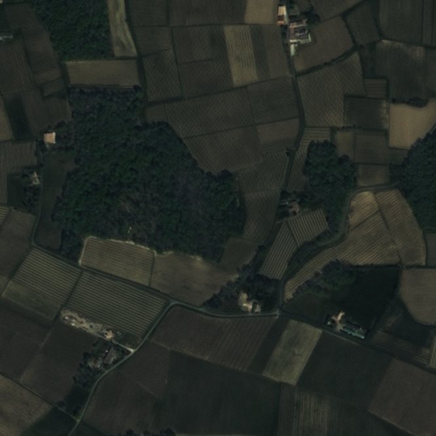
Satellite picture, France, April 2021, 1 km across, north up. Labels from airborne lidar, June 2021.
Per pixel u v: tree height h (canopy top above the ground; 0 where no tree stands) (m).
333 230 20
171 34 0
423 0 0
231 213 19
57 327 0
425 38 0
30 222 0
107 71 0
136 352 0
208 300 0
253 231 0
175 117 0
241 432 0
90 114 15
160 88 0
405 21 0
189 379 0
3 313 0
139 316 0
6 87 0
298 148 0
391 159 0
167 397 0
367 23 0
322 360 0
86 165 20
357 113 0
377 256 0
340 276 22
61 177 0
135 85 0
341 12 0
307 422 0
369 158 0
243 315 0
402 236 0
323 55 0
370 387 0
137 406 0
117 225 12
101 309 0
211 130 0
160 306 0
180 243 21
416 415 0
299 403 0
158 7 0
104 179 31
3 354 0
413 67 0
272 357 0
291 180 0
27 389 0
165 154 24
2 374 0
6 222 0
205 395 0
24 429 0
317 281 16
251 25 0
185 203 17
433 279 0
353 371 0
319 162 24
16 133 0
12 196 0
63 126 13
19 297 0
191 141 0
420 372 0
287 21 0
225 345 0
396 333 0
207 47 0
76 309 0
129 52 0
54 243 0
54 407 0
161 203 22
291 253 0
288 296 0
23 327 0
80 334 0
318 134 0
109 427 0
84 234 18
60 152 13
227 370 0
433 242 0
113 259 0
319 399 0
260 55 0
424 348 0
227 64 0
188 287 0
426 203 25
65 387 0
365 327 0
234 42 0
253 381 0
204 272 0
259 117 0
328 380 0
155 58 0
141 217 21
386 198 0
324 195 23
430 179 23
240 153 0
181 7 0
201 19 0
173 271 0
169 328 0
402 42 0
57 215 21
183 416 0
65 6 21
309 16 9
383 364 0
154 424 0
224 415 0
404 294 0
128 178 21
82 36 20
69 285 0
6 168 0
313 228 0
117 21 0
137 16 0
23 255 0
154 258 0
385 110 0
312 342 0
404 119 0
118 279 0
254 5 0
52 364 0
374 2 0
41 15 8
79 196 29
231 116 0
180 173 18
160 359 0
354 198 0
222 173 0
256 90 0
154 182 21
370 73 0
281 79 0
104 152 20
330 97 0
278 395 0
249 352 0
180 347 0
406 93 0
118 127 23
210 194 22
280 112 0
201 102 0
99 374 10
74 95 20
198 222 20
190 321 0
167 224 23
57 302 0
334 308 0
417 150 19
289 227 0
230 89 0
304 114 0
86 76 0
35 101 0
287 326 0
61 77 0
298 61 0
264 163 0
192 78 0
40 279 0
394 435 0
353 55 0
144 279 0
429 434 0
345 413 0
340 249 0
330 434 0
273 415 0
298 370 0
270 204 0
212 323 0
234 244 0
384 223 0
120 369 0
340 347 0
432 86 0
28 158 0
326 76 0
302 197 11
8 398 0
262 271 0
